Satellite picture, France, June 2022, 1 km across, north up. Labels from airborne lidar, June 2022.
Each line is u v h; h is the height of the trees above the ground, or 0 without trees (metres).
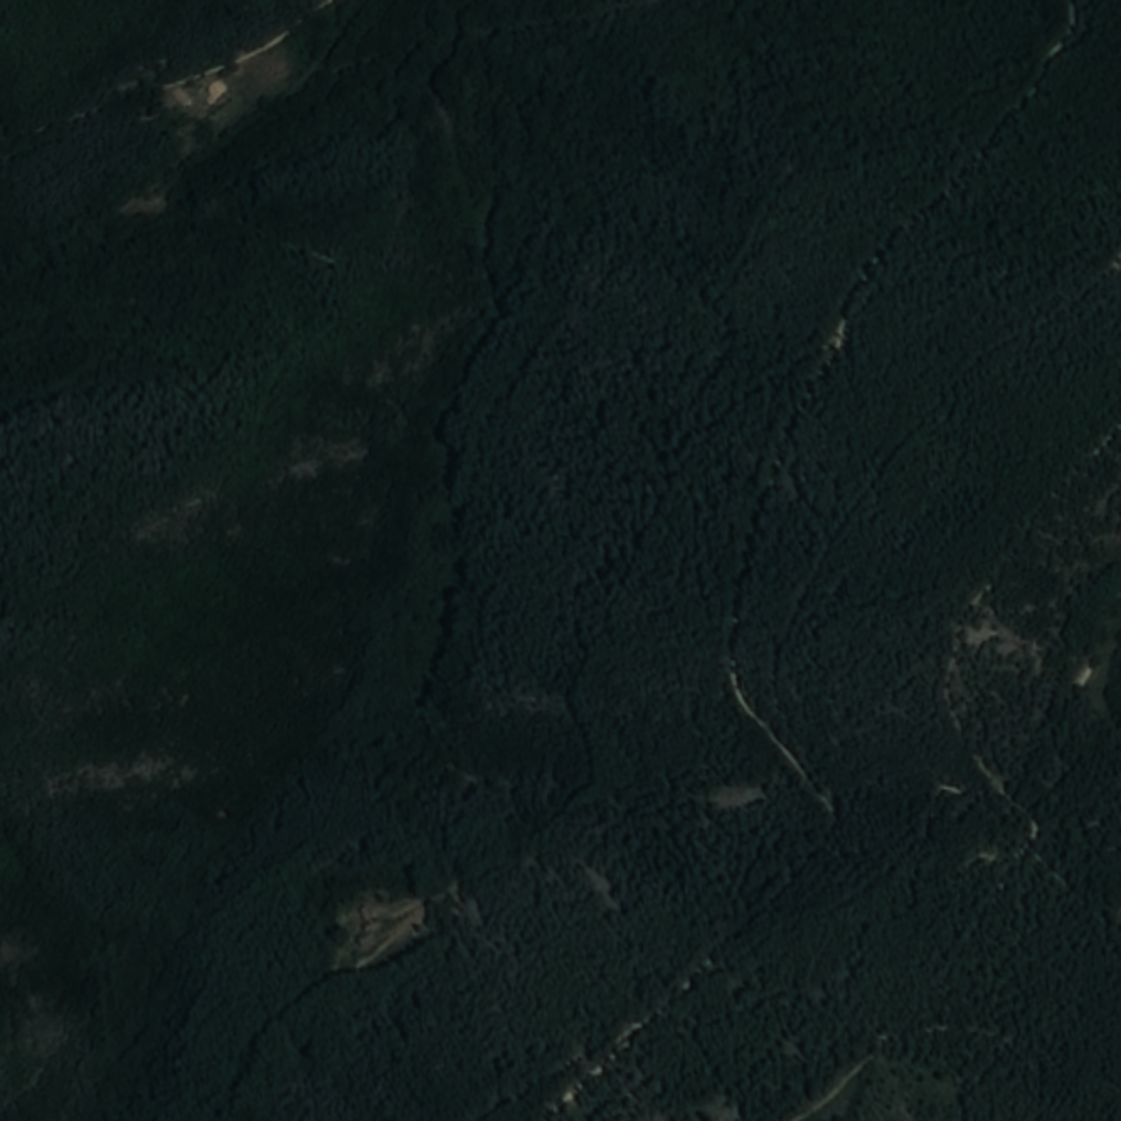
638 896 15
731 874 22
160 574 16
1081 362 13
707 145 18
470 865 28
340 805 26
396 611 24
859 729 14
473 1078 25
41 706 6
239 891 27
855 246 23
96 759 10
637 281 24
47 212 24
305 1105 22
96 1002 20
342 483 11
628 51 15
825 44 16
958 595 17
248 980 31
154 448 21
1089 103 13
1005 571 13
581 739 18
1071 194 8
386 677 31
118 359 7
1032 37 14
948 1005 16
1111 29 12
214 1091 25
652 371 19
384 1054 20
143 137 18
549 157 16
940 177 17
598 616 26
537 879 11
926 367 18
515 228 22
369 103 26
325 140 19
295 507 13
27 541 26
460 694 11
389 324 12
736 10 12
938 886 17
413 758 9
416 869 25
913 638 15
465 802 8
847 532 20
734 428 18
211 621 20
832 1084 17
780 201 20
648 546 25
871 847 21
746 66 12
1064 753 20
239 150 16
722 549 23
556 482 25
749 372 19
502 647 23
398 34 20
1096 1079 21
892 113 20
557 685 17
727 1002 14
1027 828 11
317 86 17
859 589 23
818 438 15
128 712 14
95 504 18
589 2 7
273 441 13
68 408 25
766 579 24
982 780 18
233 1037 24
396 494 17
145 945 18
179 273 7
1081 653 9
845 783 17
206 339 8
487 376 37
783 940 17
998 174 12
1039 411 9
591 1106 9
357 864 22
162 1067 23
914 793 18
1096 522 18
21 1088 11
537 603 25
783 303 21
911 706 12
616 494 28
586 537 27
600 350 25
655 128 17
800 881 20
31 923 12
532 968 15
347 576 17
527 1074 15
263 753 13
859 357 21
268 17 21
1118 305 12
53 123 13
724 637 25
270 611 24
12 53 14
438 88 20
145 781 7
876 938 16
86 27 14
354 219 18
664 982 15
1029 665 9
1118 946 19
